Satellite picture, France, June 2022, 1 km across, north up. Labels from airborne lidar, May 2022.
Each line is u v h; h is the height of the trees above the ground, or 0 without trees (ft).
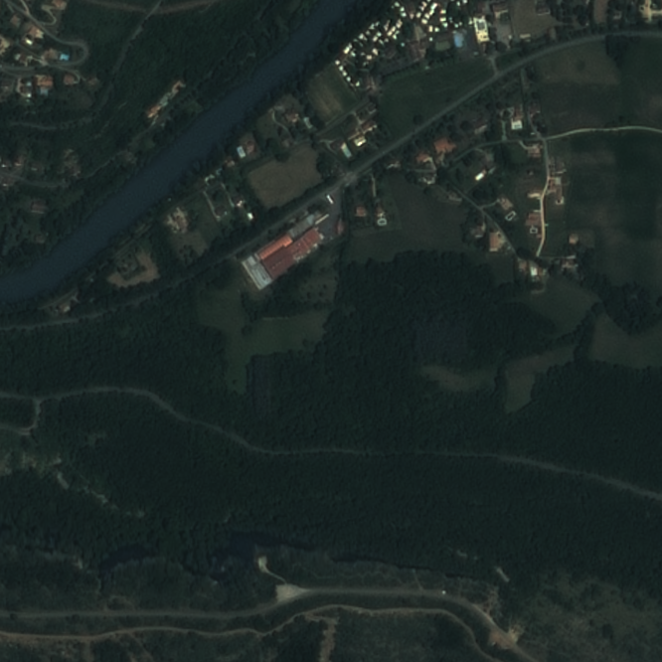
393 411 58
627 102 0
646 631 0
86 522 71
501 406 36
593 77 0
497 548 34
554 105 0
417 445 65
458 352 75
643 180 0
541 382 23
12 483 51
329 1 0
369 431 40
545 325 61
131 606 0
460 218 0
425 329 79
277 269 0
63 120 31
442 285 54
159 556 24
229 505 29
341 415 42
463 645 20
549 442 44
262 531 40
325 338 33
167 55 23
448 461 52
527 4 0
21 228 75
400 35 31
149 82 33
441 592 0
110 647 39
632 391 47
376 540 32
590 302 0
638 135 0
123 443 43
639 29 53
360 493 43
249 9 39
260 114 33
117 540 52
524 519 30
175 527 42
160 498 56
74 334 32
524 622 0
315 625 31
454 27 23
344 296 26
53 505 65
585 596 27
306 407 47
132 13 30
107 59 30
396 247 0
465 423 48
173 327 40
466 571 19
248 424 62
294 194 0
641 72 0
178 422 47
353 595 0
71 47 19
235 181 37
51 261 0
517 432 46
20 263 34
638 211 0
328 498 28
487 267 40
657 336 0
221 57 38
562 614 0
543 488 27
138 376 45
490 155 0
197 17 21
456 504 32
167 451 43
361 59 33
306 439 35
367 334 54
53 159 44
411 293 45
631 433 38
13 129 33
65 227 94
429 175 0
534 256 38
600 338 0
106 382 51
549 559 25
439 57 28
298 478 39
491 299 62
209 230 0
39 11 23
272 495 25
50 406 44
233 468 25
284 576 19
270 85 0
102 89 27
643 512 29
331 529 41
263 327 0
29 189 26
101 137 20
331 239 0
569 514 36
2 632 0
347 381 42
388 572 128
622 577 26
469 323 66
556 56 0
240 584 32
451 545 22
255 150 28
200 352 41
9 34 44
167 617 24
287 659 29
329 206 0
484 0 32
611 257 0
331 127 0
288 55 0
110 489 20
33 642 0
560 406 45
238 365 0
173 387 52
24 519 65
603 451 52
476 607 0
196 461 50
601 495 35
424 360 38
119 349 47
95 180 52
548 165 0
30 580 19
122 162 20
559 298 0
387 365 46
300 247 0
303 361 38
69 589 23
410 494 27
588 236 0
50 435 22
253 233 68
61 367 58
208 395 46
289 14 20
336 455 51
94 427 39
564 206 0
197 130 0
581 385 60
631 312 91
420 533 42
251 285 0
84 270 23
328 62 71
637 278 0
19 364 55
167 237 43
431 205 0
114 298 62
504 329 60
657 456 54
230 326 0
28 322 61
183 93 32
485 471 49
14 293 0
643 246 0
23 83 25
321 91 0
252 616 19
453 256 59
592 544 40
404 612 0
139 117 28
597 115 0
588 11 41
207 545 45
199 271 49
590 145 0
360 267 59
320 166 45
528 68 23
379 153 0
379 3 94
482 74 0
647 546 43
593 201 0
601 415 50
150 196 0
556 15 37
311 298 29
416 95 0
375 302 42
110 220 0
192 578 87
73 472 34
